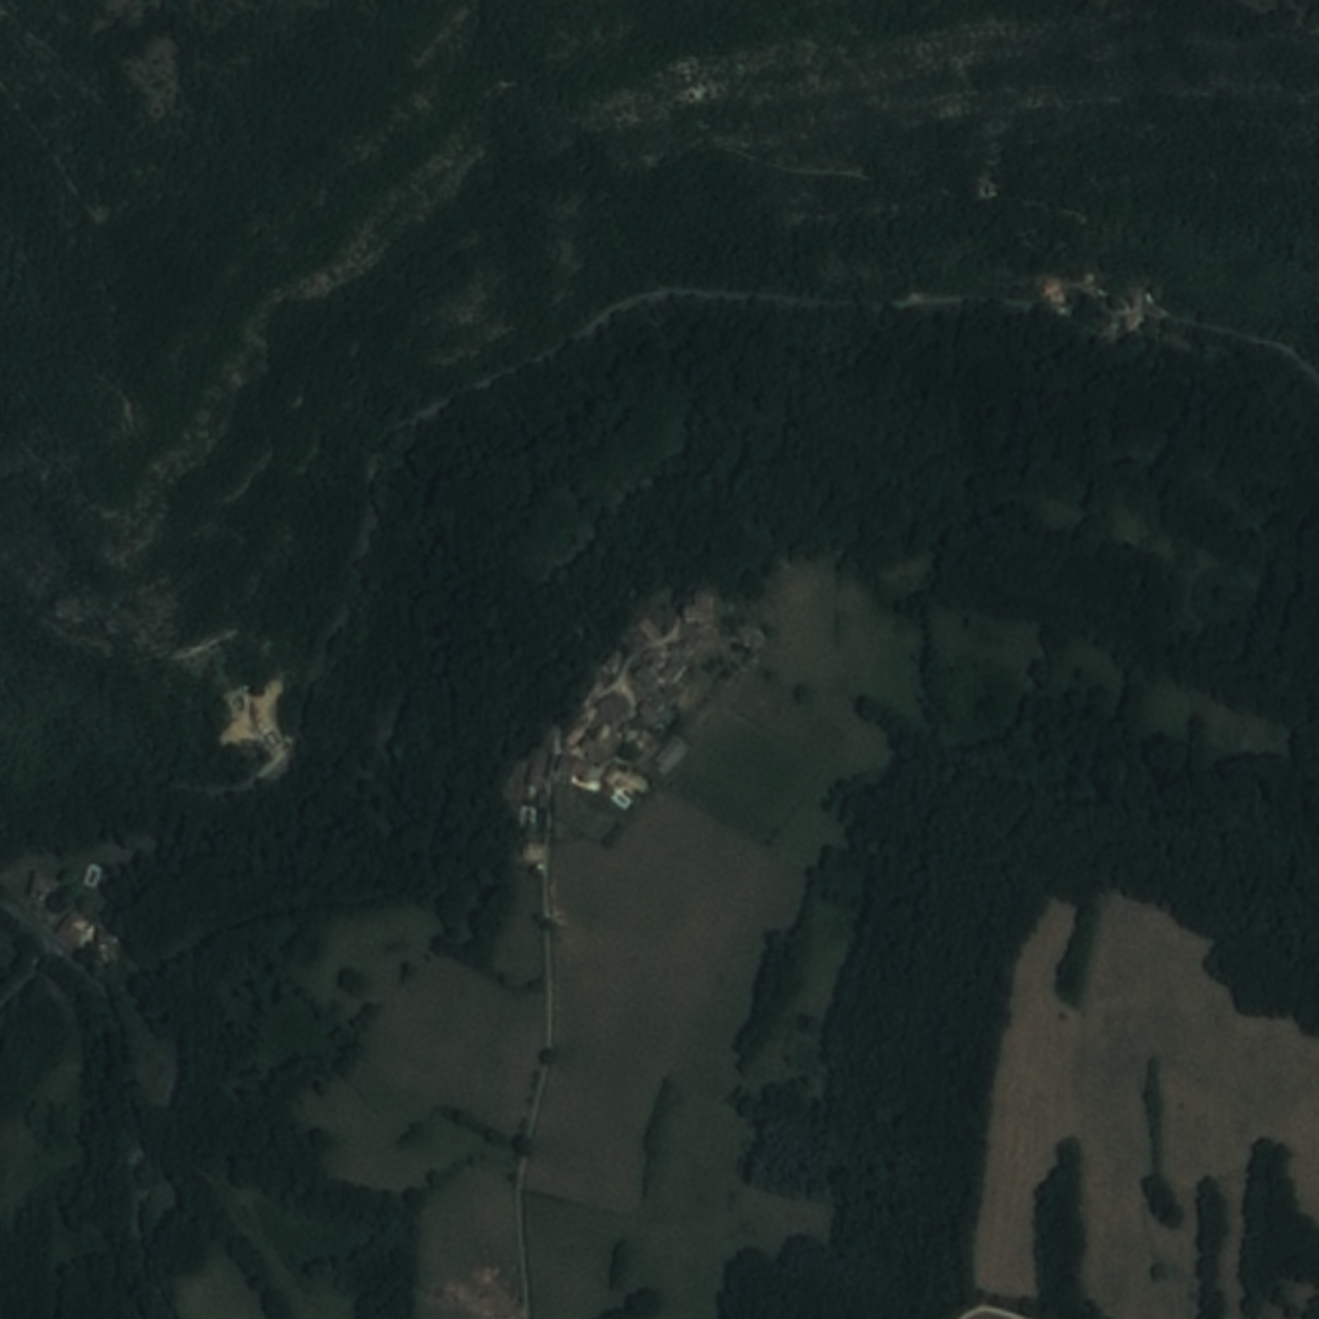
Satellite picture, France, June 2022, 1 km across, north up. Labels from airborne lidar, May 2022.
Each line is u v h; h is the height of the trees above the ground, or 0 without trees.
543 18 6
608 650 10
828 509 15
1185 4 9
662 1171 0
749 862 0
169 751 12
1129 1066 0
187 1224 21
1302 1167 0
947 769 18
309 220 7
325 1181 8
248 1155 21
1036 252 8
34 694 6
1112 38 7
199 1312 0
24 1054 16
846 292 12
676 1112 0
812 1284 19
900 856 24
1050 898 12
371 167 9
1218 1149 0
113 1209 26
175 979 18
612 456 8
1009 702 0
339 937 0
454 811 26
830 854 14
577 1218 0
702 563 16
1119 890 9
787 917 0
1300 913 19
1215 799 24
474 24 7
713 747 0
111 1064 11
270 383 13
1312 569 25
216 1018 21
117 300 9
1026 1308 13
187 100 7
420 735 19
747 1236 0
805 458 20
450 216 12
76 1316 25
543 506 20
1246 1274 14
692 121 8
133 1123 18
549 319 11
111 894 20
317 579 19
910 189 8
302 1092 16
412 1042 0
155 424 7
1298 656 13
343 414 12
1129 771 25
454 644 23
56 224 8
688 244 9
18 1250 20
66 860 20
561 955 0
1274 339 15
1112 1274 0
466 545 22
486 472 21
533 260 11
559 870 0
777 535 14
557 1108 0
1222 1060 0
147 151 7
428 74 6
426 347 12
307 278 12
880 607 0
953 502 18
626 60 8
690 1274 0
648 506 19
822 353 23
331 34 8
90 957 17
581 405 11
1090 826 16
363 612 18
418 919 0
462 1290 0
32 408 8
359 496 19
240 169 6
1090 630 16
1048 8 11
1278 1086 0
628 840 0
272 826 26
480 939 21
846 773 0
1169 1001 0
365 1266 11
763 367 18
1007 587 19
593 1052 0
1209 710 0
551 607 17
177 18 8
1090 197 13
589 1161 0
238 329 10
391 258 11
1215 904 20
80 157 6
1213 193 15
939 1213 6
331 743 24
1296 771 15
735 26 8
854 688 0
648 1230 0
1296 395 16
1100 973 0
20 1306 19
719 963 0
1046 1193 16
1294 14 9
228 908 17
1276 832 20
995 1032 13
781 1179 18
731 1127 0
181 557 11
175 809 25
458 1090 0
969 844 16
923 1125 13
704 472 8
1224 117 10
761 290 14
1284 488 9
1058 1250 15
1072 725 31
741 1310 19
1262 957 13
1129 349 18
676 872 0
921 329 24
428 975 0
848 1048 16
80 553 11
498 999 0
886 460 19
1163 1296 0
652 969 0
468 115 8
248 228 7
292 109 7
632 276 15
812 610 0
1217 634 16
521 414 23
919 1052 13
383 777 8
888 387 19
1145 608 22
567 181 12
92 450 8
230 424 9
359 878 26
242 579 11
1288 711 16
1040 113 9
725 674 9
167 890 19
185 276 11
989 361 11
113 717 8
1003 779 13
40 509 13
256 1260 18
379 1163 0
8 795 13
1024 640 0
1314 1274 14
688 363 21
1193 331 8
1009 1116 0
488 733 19
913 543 20
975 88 8
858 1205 7
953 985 18
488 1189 0
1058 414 35
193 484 15
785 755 0
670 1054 0
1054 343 26
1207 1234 15
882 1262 7
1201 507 23
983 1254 0
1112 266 11
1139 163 10
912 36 6
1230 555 16
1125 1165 0
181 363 5
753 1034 19
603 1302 0
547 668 15
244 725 0
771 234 12
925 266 9
